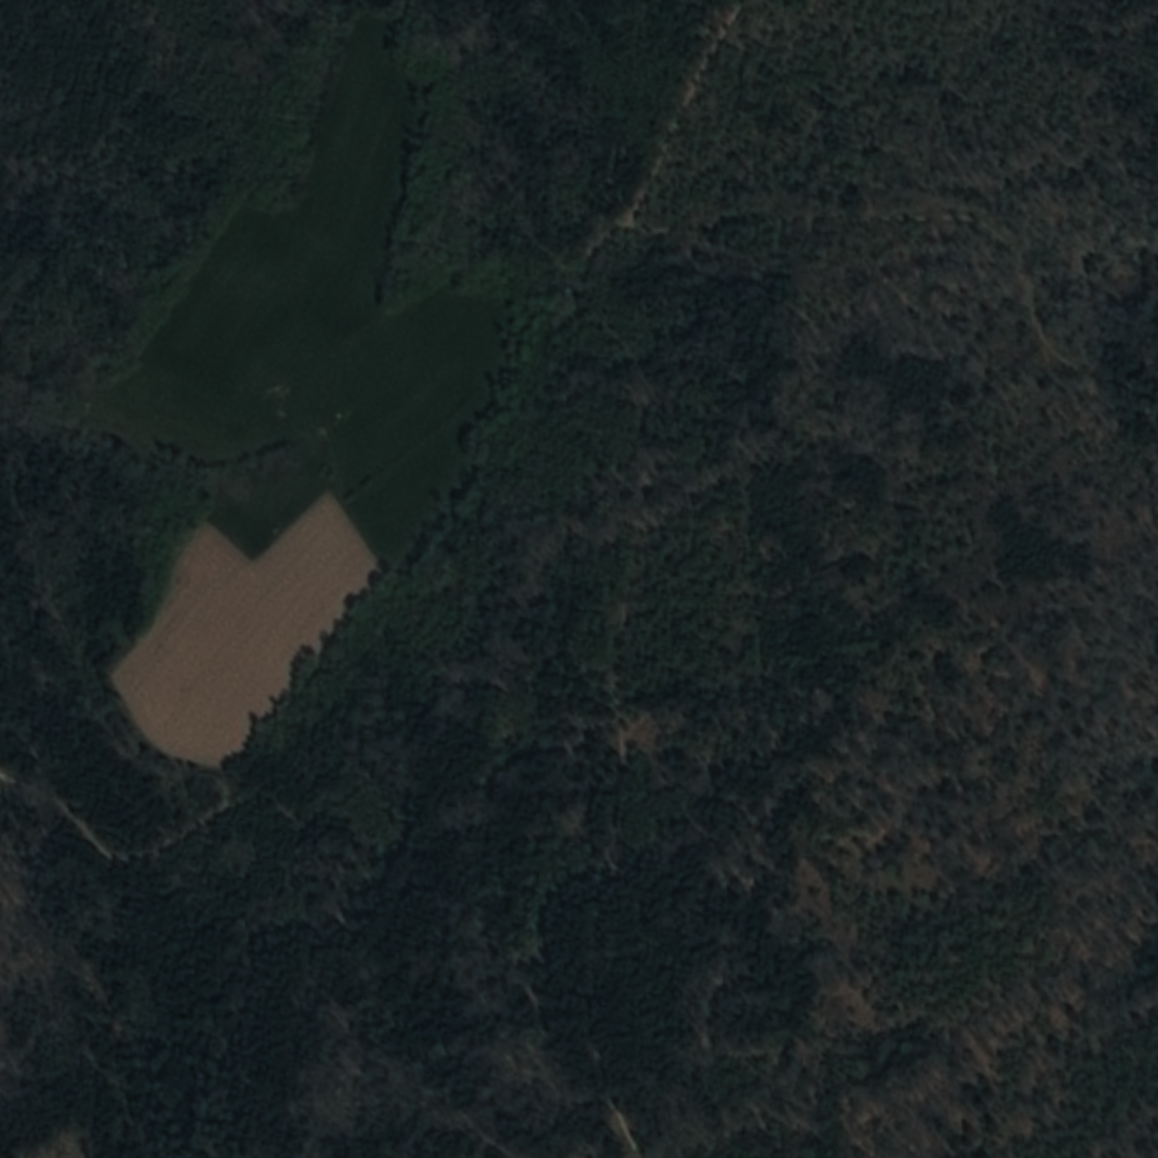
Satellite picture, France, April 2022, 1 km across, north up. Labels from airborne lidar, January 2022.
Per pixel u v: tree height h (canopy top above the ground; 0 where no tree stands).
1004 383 16
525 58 16
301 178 11
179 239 16
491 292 11
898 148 10
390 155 0
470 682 24
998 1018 25
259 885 13
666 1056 22
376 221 0
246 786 12
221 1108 27
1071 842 6
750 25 15
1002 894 9
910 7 16
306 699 14
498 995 26
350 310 0
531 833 17
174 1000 17
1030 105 16
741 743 22
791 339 29
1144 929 26
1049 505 11
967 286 31
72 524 10
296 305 0
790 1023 14
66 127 9
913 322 33
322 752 13
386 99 0
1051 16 7
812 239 8
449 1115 24
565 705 12
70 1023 22
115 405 0
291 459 16
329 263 0
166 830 15
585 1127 21
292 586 0
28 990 25
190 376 0
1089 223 26
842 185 13
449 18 13
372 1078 27
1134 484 14
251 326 0
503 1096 24
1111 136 7
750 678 7
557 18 13
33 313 12
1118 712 28
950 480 11
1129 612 31
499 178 10
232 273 0
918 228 15
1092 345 25
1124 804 22
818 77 16
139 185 12
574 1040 22
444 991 14
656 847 9
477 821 25
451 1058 21
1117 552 10
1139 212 22
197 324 0
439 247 22
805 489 7
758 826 8
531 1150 16
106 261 10
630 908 30
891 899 7
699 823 20
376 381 0
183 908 11
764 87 14
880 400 33
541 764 20
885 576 18
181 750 0
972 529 9
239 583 0
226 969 15
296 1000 24
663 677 13
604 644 16
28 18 10
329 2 14
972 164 30
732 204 9
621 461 11
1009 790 27
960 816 14
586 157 14
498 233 13
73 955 22
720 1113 20
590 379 27
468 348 0
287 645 0
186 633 0
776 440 28
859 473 23
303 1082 28
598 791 10
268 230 0
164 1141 31
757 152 11
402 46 21
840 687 13
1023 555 16
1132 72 8
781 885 20
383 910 24
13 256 24
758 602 10
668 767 20
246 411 0
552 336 14
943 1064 29
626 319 15
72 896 21
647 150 14
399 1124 21
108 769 14
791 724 22
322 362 0
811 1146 13
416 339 0
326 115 14
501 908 13
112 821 15
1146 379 22
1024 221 27
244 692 0
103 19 12
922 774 33
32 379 7
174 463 11
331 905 22
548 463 16
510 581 16
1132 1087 17
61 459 17
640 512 20
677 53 13
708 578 11
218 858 10
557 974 29
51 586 7
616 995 22
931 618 16
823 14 8
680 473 19
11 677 24
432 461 0
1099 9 6
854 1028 11
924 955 12
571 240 12
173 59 8
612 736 9
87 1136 25
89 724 11
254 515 0
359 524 0
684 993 18
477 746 23
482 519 12
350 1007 16
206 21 11
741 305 21
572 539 7
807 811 17
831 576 9
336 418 0
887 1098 20
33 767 16
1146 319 31
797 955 20
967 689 29
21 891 26
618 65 13
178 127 14
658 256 21
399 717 29
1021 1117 28
